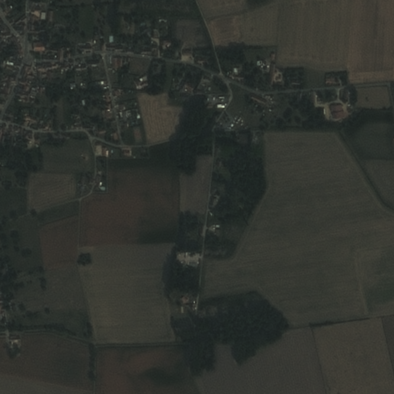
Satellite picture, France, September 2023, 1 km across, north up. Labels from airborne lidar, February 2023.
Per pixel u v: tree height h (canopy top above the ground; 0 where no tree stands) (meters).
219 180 6
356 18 0
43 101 0
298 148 0
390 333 0
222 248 35
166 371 0
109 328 0
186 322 0
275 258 0
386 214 0
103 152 0
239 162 19
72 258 0
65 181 0
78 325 0
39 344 0
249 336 21
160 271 0
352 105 10
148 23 0
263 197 0
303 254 0
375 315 0
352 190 0
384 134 0
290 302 0
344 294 0
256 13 0
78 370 0
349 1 0
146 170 0
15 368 0
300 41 0
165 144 0
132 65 0
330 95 13
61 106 0
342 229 0
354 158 0
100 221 0
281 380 0
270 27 0
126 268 0
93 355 14
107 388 0
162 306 0
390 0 0
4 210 0
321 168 0
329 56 0
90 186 0
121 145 0
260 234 0
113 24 29
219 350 0
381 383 0
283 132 0
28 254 12
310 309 0
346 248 0
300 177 0
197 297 0
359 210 0
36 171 9
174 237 0
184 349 0
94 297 0
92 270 0
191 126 21
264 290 0
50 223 0
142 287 0
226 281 0
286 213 0
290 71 7
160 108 0
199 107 29
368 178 0
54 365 0
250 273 0
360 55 0
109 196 0
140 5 32
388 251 0
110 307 0
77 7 7
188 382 0
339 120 0
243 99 0
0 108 0
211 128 8
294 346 0
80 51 11
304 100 10
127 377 0
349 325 0
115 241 0
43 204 0
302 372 0
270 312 17
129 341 0
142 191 0
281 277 0
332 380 0
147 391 0
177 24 0
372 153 0
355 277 0
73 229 0
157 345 0
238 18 0
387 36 0
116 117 0
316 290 0
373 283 0
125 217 0
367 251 0
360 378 0
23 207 0
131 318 0
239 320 21
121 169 0
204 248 30
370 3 0
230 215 15
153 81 8
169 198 0
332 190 0
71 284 0
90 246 0
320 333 0
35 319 0
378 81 0
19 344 0
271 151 0
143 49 0
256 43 0
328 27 0
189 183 0
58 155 0
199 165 0
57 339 0
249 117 0
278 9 0
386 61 0
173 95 9
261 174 15
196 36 0
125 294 0
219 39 0
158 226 0
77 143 0
